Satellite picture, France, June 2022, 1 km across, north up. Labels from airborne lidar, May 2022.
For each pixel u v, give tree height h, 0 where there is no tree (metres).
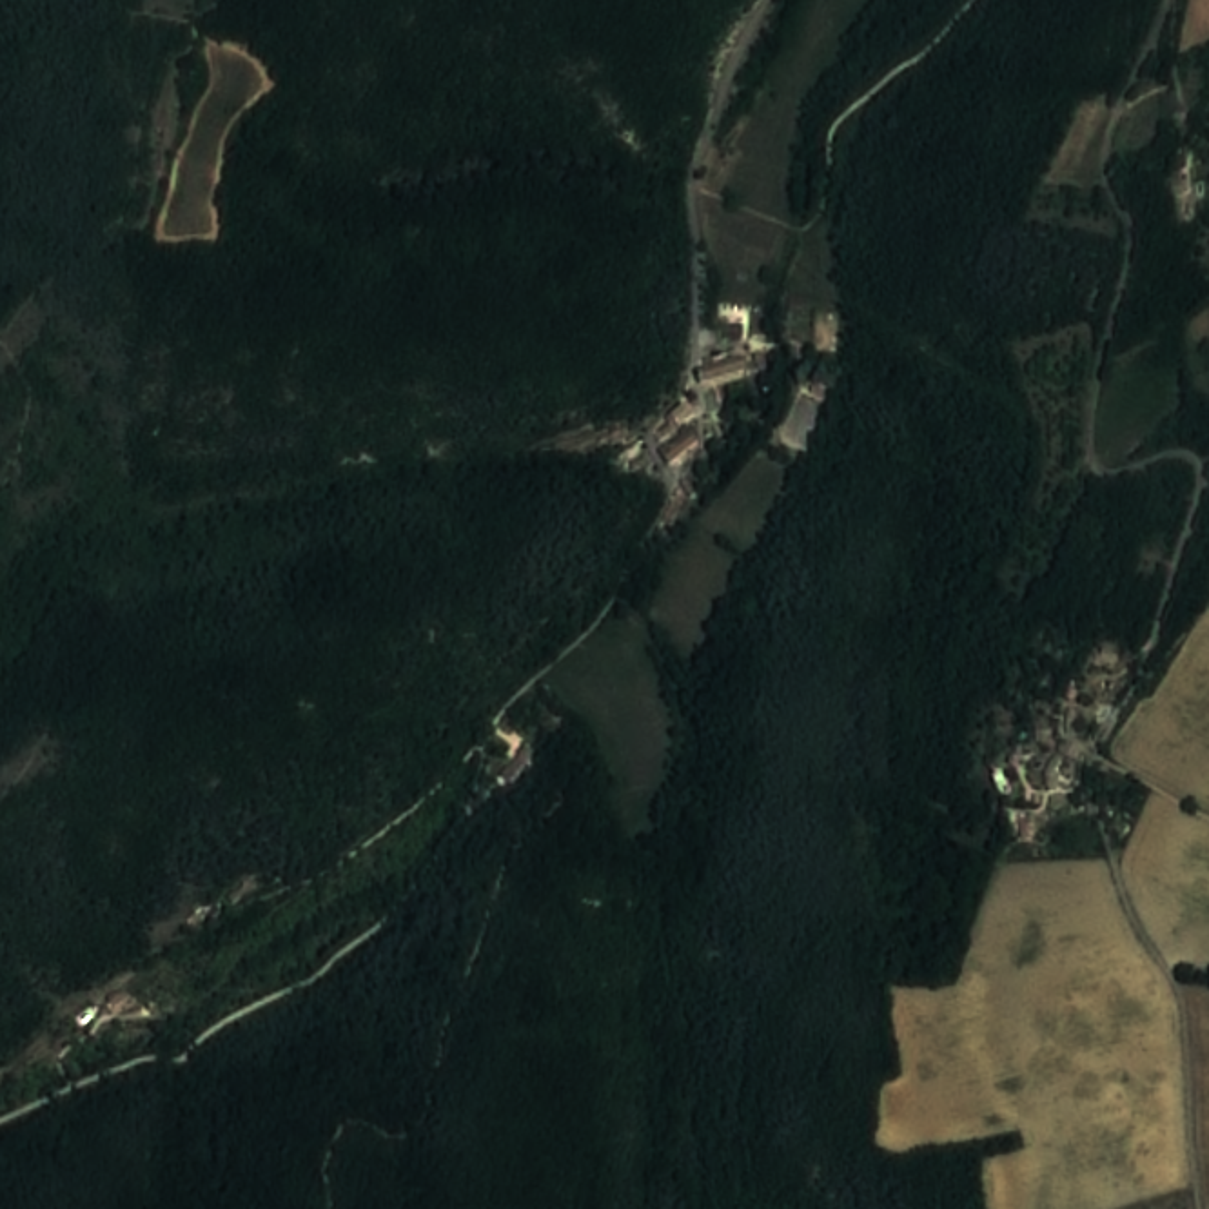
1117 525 8
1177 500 12
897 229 8
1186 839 0
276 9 10
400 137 8
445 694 12
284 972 6
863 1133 13
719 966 7
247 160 11
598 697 0
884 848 20
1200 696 0
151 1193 6
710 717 12
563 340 8
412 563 7
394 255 9
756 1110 8
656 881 15
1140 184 10
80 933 7
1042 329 11
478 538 9
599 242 6
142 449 6
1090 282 13
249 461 6
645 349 11
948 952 14
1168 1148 0
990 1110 0
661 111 9
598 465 23
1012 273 11
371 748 11
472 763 7
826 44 0
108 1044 9
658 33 8
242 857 20
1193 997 0
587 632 13
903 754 16
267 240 12
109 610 7
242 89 0
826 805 6
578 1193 6
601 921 10
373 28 7
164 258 13
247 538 6
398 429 6
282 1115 6
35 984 9
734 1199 12
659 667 7
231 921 8
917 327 9
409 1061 7
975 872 8
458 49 7
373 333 6
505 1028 8
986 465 10
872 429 9
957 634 13
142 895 7
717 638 14
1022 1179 0
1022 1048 0
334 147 7
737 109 10
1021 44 7
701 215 0
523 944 6
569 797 13
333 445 7
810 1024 7
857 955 10
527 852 8
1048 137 10
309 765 9
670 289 19
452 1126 5
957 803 19
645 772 0
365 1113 8
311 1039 12
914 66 6
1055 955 0
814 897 7
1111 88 8
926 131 11
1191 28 0
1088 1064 0
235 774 6
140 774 9
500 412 8
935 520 20
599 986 7
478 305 6
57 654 8
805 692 6
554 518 13
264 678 8
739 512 0
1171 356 7
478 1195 7
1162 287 11
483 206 10
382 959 15
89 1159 7
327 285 13
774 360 16
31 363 8
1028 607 12
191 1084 12
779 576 20
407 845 7
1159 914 0
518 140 13
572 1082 9
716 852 11
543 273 10
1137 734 0
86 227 6
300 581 14
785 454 12
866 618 10
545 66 6
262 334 7
